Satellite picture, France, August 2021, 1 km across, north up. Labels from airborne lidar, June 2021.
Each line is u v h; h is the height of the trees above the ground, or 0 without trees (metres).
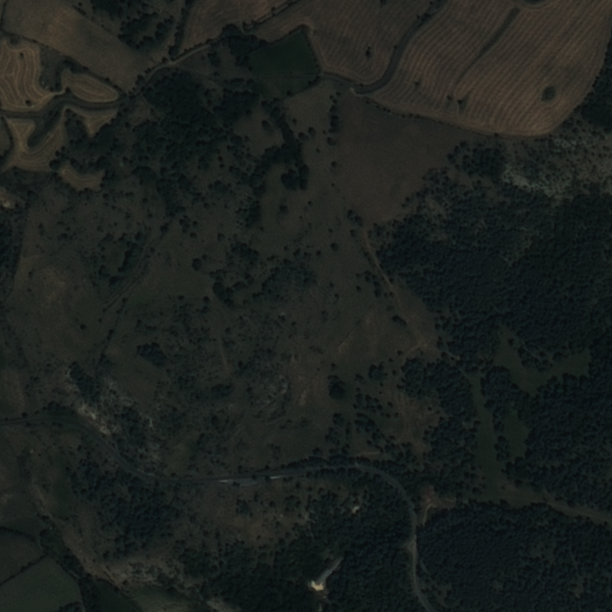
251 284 8
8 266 8
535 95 0
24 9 0
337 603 8
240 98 13
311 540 14
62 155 9
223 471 0
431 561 15
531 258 10
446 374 10
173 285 0
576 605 7
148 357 7
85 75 0
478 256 12
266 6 0
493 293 17
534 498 0
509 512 17
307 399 0
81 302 0
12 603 0
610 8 0
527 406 18
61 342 0
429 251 11
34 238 0
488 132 0
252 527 0
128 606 0
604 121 11
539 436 16
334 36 0
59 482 0
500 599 12
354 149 0
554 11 0
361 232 0
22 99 0
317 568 15
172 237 0
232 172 9
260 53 0
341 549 10
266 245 0
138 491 10
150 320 0
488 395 14
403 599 13
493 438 0
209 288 0
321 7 0
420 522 0
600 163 0
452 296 13
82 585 11
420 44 0
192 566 12
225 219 0
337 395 16
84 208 0
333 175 0
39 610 0
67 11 0
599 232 11
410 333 0
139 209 0
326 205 0
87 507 0
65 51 0
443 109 0
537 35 0
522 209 7
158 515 12
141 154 10
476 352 15
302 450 0
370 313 0
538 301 15
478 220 6
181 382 9
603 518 0
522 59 0
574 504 11
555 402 15
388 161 0
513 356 0
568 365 0
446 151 0
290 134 13
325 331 0
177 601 0
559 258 10
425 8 0
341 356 0
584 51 0
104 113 0
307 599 20
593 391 13
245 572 7
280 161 12
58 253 0
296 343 0
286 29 0
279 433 0
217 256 0
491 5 0
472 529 18
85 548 0
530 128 0
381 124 0
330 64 0
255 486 0
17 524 0
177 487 7
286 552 10
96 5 9
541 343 15
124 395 0
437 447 11
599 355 17
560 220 11
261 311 0
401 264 6
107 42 0
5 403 0
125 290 0
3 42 0
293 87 0
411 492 11
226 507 0
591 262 11
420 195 7
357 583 7
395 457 11
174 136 8
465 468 9
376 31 0
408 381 8
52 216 0
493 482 0
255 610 12
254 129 0
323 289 0
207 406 0
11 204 0
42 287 0
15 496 0
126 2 8
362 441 0
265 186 7
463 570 15
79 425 0
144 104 0
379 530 14
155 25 0
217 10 0
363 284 0
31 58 0
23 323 0
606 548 10
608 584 9
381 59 0
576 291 12
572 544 6
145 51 0
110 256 0
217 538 7
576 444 11
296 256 8
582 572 11
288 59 0
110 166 9
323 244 0
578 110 6
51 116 6
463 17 0
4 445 0
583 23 0
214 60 11
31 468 0
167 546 0
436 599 7
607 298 7
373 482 13
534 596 12
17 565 0
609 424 11
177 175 9
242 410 0
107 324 0
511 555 18
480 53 0
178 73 9
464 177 0
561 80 0
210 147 12
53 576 0
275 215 0
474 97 0
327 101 0
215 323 0
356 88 0
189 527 0
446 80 0
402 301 0
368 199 0
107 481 11
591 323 13
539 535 14
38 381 7
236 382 0
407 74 0
